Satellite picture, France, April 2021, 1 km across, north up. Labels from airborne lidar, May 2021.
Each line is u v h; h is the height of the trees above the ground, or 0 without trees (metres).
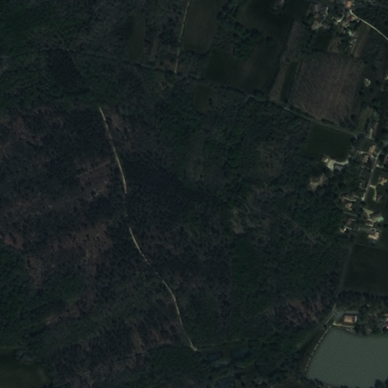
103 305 12
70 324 13
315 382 8
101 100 18
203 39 0
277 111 12
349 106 12
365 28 0
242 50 19
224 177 20
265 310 18
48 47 11
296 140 6
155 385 15
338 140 0
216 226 9
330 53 0
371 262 0
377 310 13
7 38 23
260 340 20
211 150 13
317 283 11
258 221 7
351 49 0
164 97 11
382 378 0
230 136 13
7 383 0
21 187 17
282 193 19
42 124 21
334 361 0
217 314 15
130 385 16
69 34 16
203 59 15
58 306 26
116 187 11
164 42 10
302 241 18
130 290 11
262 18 0
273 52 0
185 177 11
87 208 20
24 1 27
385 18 9
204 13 0
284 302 14
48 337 18
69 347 8
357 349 0
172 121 16
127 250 15
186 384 15
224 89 13
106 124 6
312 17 12
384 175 0
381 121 0
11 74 21
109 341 18
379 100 5
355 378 0
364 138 13
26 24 15
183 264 15
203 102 0
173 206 14
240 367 12
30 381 0
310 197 23
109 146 15
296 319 9
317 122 0
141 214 10
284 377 18
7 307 29
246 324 21
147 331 14
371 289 0
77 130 17
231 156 21
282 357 15
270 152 9
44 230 12
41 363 9
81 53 18
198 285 6
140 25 0
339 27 0
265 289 17
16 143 0
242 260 17
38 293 8
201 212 9
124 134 13
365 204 11
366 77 0
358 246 0
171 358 23
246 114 17
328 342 0
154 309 13
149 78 16
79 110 13
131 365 9
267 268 12
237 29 18
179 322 11
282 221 12
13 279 20
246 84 0
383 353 0
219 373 20
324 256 12
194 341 15
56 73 20
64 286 14
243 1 14
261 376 17
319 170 0
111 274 5
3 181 15
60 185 10
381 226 12
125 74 20
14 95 7
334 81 14
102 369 10
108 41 7
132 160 20
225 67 0
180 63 11
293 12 0
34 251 11
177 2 11
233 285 14
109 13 6
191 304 16
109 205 21
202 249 16
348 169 17
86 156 7
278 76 12
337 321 0
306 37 12
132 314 17
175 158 13
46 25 15
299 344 19
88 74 18
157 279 15
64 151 23
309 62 12
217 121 14
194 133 19
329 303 8
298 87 16
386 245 0
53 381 14
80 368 21
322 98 18
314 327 16
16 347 16
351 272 0
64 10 6
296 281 14
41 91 15
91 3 14
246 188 17
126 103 17
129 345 15
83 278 9
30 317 26
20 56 20
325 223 16
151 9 10
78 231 8
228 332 15
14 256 18
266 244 18
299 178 9
